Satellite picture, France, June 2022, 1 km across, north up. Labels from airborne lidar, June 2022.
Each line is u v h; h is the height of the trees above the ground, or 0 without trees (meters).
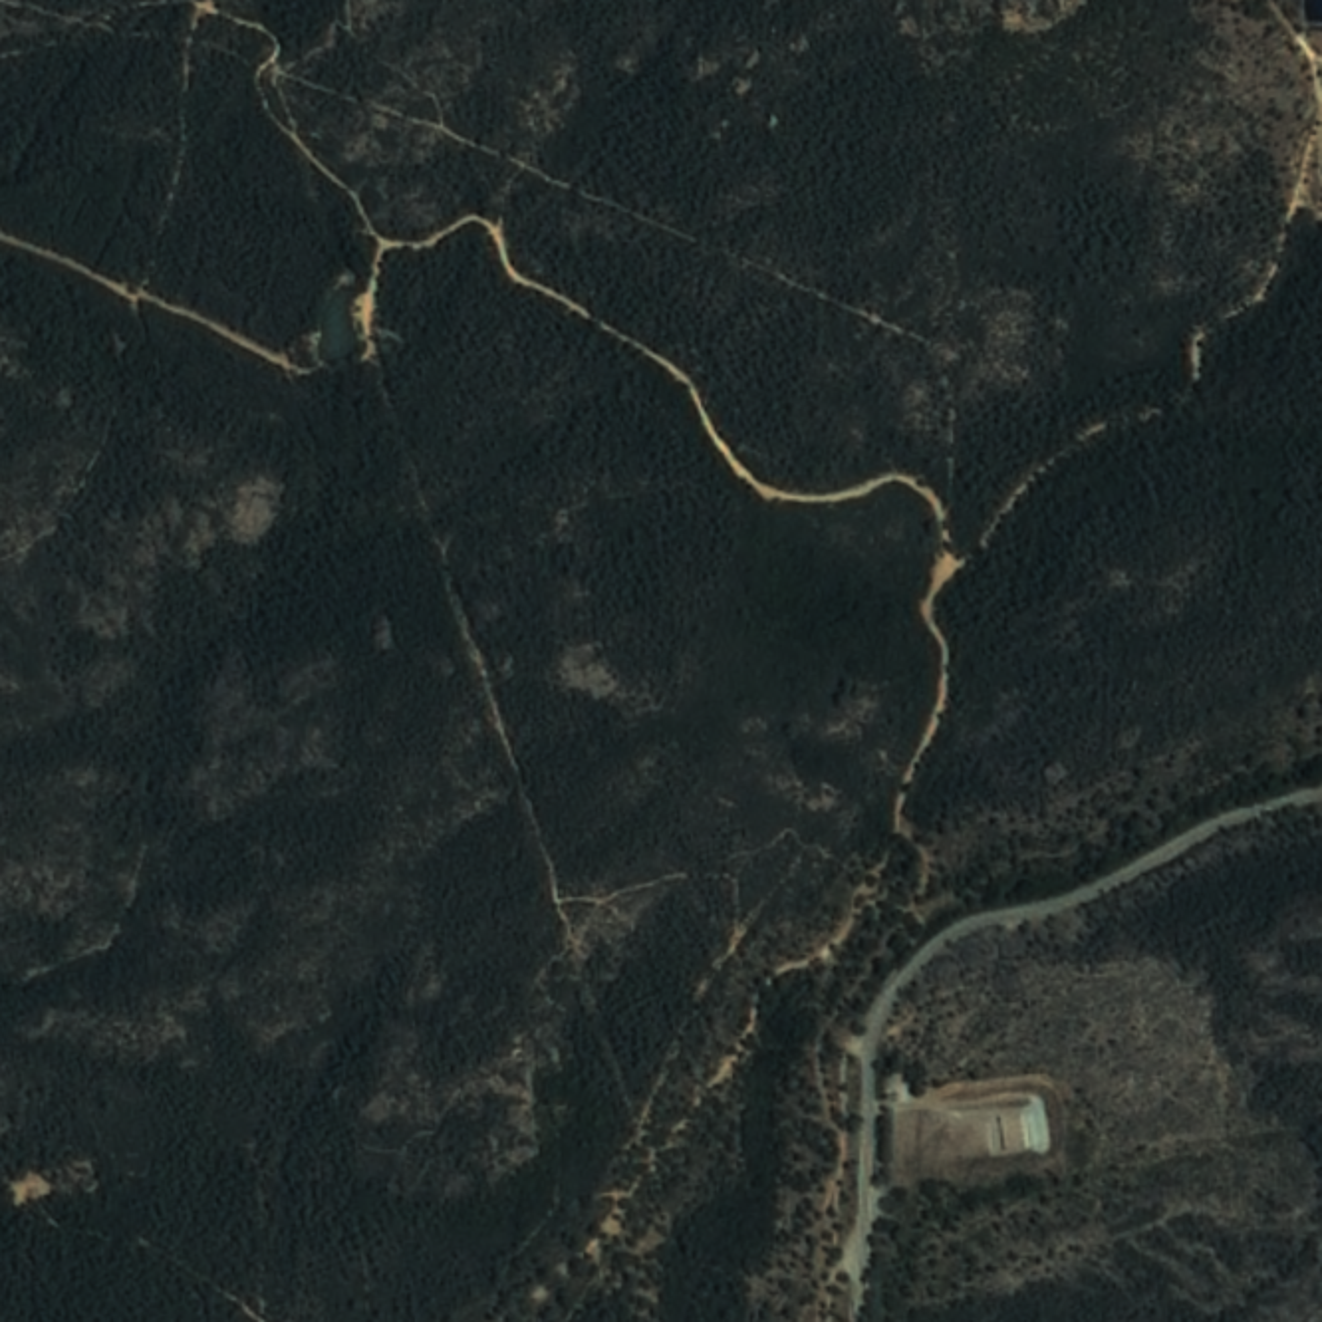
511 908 10
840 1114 6
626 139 12
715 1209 8
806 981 6
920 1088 15
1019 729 7
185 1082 10
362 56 7
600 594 11
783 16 10
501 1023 8
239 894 10
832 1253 7
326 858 9
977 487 14
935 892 10
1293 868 15
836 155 12
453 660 10
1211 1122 0
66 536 8
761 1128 10
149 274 11
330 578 13
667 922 12
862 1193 0
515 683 10
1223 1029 9
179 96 9
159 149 11
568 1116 7
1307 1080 7
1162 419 15
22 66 11
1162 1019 0
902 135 10
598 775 6
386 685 10
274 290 8
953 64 7
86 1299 15
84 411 12
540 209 7
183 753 11
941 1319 7
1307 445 7
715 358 12
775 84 8
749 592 8
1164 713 7
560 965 7
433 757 9
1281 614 7
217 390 10
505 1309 14
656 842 9
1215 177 12
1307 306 15
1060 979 0
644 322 14
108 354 6
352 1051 14
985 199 11
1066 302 12
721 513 10
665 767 10
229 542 8
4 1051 8
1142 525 17
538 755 8
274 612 13
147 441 11
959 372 12
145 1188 6
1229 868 11
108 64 8
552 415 9
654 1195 8
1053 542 10
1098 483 6
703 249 12
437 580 11
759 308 9
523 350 11
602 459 16
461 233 11
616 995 14
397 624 14
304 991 7
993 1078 0
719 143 8
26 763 9
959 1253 10
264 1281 9
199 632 11
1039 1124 0
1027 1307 6
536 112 7
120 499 10
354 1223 15
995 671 7
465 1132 9
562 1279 13
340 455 11
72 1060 9
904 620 8
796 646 11
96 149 9
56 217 11
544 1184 8
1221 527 11
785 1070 9
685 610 8
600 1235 12
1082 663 12
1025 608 15
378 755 7
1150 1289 10
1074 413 12
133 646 11
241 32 6
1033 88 7
